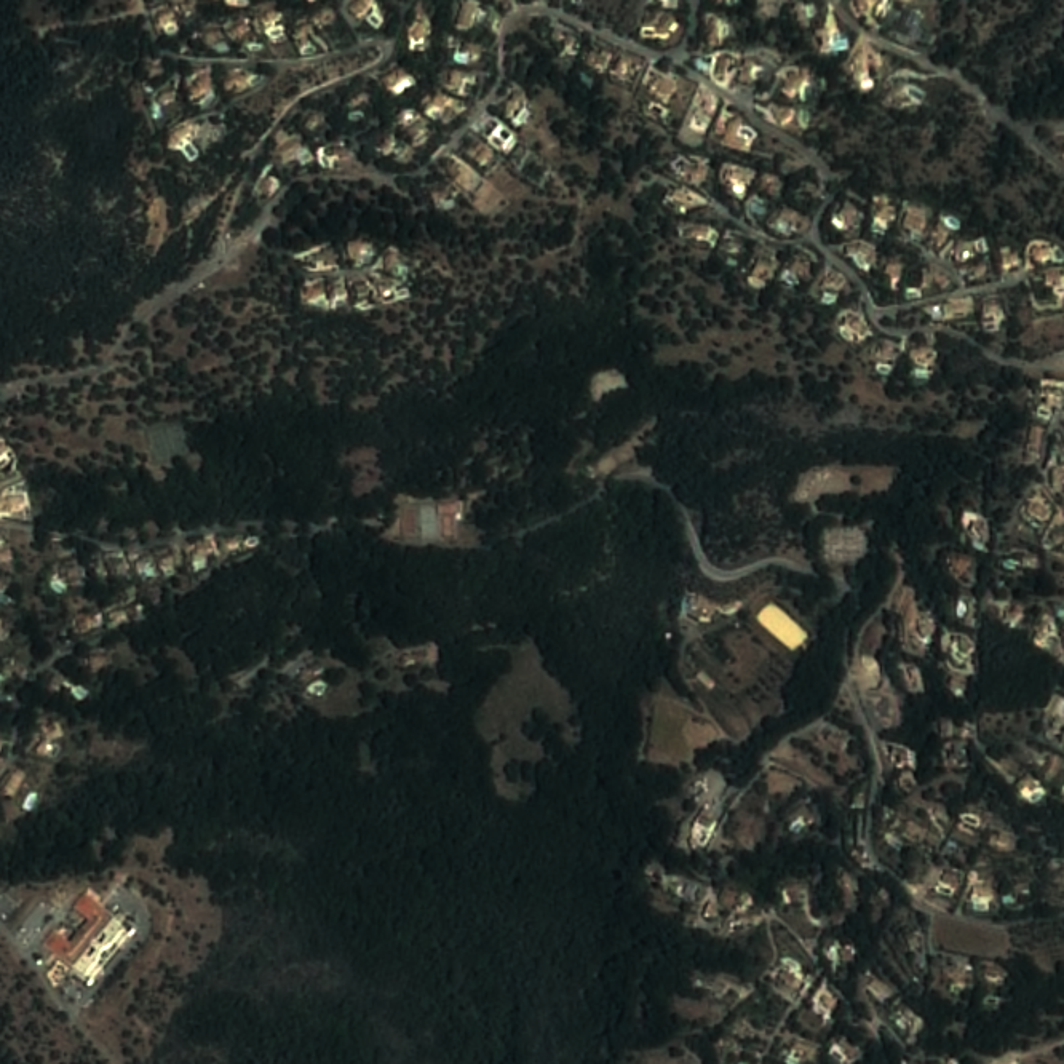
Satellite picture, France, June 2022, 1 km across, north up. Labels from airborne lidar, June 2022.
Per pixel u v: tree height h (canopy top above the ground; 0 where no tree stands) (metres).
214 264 0
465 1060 15
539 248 8
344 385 10
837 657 17
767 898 9
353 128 9
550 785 17
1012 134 15
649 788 18
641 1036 16
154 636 14
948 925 0
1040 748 7
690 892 0
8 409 8
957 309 0
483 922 13
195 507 15
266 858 9
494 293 10
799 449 12
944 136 10
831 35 0
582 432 12
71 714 14
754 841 0
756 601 0
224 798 20
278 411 9
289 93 8
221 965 5
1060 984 16
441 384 14
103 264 7
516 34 8
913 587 9
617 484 14
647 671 16
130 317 10
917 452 19
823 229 9
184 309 9
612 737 18
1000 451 10
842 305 7
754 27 9
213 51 6
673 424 14
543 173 10
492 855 14
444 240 11
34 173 6
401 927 18
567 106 8
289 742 18
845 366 11
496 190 0
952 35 9
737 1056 11
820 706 19
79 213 8
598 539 9
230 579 11
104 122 9
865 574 19
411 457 15
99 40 10
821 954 6
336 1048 17
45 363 11
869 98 12
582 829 15
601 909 21
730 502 6
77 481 16
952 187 7
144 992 11
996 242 6
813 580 14
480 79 9
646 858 20
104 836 12
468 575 13
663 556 14
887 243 7
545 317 14
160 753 9
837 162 9
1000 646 14
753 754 16
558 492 10
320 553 19
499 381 21
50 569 8
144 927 0
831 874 12
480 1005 14
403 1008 13
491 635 20
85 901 0
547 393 16
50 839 11
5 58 8
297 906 8
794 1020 7
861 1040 16
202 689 9
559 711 0
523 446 15
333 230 20
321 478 14
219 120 8
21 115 6
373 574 21
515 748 0
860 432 9
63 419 14
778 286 8
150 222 6
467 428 13
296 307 11
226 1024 9
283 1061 10
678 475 13
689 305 11
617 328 15
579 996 12
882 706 0
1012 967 13
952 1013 14
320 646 17
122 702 15
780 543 6
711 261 7
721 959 15
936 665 8
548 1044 8
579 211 11
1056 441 7
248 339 8
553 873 16
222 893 10
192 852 11
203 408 12
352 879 12
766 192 6
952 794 15
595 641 8
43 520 12
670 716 0
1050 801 7
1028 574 10
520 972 9
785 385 13
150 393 17
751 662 0
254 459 16
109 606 15
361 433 13
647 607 11
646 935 16
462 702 21
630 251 16
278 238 14
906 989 11
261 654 7
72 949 0
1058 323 0
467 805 13
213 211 8
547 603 15
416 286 8
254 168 6
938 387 9
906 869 14
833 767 9
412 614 19
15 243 7
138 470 8
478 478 16
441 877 15
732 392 14
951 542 15
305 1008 9
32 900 0
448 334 10
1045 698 12
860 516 17
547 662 9
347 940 16
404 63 14
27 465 10
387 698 15
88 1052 7
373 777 9
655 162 10
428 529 0
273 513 13
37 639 12
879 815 9
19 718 11
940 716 13
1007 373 9
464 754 19
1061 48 12
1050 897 9
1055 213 7
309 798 19
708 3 10
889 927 8
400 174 8
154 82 8
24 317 10
